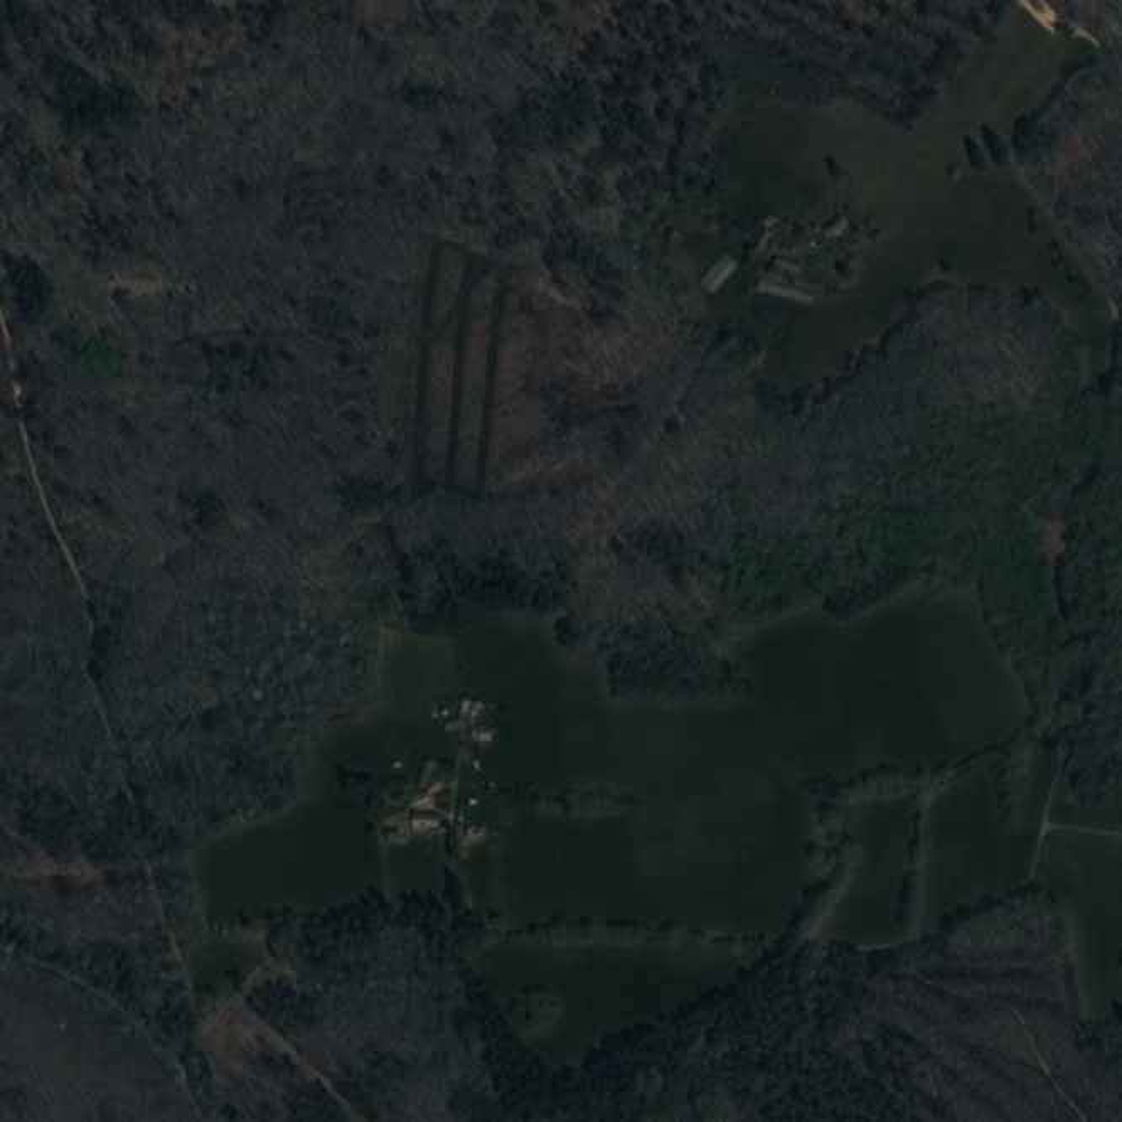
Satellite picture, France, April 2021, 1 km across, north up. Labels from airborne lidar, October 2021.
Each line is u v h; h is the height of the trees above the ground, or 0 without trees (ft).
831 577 74
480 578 53
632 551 52
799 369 0
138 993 87
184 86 25
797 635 0
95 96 62
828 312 0
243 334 31
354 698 53
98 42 32
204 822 61
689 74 26
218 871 0
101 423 59
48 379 85
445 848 0
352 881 0
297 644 46
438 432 18
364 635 66
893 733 0
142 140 48
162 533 51
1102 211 32
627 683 70
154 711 68
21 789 85
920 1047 21
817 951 49
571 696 0
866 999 71
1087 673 35
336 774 0
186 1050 67
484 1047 42
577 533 45
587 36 25
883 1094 55
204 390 43
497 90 57
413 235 52
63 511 42
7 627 64
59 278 58
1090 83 66
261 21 73
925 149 0
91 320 56
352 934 72
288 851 0
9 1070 40
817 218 0
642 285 57
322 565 64
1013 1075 31
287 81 55
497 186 55
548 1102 87
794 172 0
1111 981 0
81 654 51
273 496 66
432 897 0
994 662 0
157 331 40
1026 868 0
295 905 0
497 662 0
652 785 0
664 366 51
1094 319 0
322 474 76
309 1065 25
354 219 52
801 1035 61
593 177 75
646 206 56
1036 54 0
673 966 0
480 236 52
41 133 67
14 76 68
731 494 64
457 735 0
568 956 0
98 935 81
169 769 73
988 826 0
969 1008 28
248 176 54
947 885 0
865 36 27
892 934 0
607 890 0
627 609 58
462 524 52
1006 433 59
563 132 71
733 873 0
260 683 63
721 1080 70
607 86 38
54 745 59
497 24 42
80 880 26
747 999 57
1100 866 0
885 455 63
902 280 0
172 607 54
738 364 48
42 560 41
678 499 74
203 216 53
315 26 41
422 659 0
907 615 0
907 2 25
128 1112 52
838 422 58
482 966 0
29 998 38
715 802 0
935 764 0
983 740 0
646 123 70
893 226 0
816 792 20
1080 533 67
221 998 74
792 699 0
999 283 0
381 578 41
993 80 0
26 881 27
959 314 51
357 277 53
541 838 0
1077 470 49
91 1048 56
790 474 58
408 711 0
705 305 0
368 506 82
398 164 40
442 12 39
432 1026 53
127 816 106
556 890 0
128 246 63
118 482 57
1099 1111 32
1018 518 72
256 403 49
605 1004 0
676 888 0
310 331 52
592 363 50
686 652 75
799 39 21
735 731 0
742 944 34
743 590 67
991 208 0
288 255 60
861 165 0
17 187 28
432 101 78
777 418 65
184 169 54
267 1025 103
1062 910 57
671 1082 78
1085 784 71
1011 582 61
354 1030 67
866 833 0
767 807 0
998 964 32
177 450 52
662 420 46
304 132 63
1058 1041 41
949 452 53
